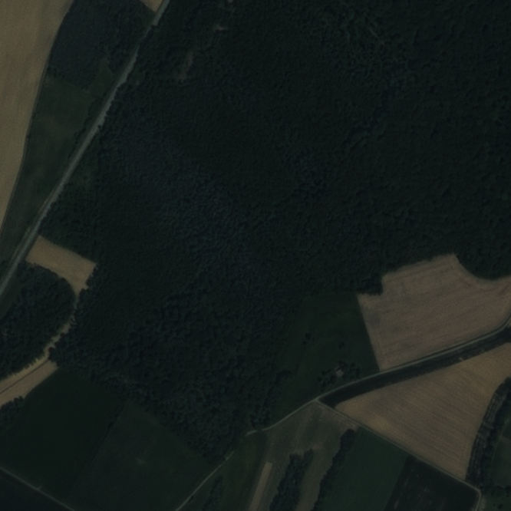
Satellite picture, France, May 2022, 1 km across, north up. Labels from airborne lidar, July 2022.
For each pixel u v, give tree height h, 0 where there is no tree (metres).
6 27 0
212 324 23
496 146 25
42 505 0
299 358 0
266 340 23
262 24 12
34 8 0
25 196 0
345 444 18
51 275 24
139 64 19
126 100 24
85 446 0
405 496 0
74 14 15
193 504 0
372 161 33
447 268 0
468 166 26
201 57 20
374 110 7
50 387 0
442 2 34
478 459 0
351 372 14
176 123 16
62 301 20
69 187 8
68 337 13
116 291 16
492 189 29
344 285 22
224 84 25
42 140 0
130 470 0
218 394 31
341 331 0
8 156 0
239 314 24
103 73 0
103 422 0
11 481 0
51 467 0
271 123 21
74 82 11
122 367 30
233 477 0
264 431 0
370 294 15
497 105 30
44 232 16
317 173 22
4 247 0
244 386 27
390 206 26
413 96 30
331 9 8
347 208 25
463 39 29
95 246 18
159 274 16
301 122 16
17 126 0
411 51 31
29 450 0
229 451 16
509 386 0
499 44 29
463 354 0
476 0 28
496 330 0
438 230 22
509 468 0
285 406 0
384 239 29
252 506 0
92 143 7
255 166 19
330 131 20
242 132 17
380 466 0
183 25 12
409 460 0
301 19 7
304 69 13
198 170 18
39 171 0
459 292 0
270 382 21
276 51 8
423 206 34
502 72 27
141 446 0
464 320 0
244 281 23
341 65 15
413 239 32
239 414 30
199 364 29
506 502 0
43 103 0
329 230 26
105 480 0
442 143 18
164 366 31
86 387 0
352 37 27
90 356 25
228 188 22
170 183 19
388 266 22
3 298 0
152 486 0
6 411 20
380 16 28
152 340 24
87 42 14
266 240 25
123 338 14
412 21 28
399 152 21
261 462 0
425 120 30
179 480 0
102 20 17
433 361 0
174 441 0
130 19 19
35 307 21
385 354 0
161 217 20
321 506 7
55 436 0
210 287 20
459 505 0
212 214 27
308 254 22
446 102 29
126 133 22
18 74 0
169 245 10
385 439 0
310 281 19
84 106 0
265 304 22
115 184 15
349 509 0
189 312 29
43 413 0
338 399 0
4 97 0
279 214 23
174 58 26
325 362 0
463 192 30
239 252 26
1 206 0
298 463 21
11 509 0
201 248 9
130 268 15
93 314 17
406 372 0
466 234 25
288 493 19
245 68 19
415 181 32
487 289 0
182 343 25
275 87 17
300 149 19
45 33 0
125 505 0
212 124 19
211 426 25
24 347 20
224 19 18
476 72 27
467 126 26
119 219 15
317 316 0
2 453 0
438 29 29
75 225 16
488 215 35
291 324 13
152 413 18
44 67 0
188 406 29
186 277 15
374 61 12
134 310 18
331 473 14
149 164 22
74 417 0
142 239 13
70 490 0
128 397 22
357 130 9
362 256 25
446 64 24
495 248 31
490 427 0
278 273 26
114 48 23
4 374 18
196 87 13
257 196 21
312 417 0
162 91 13
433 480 0
